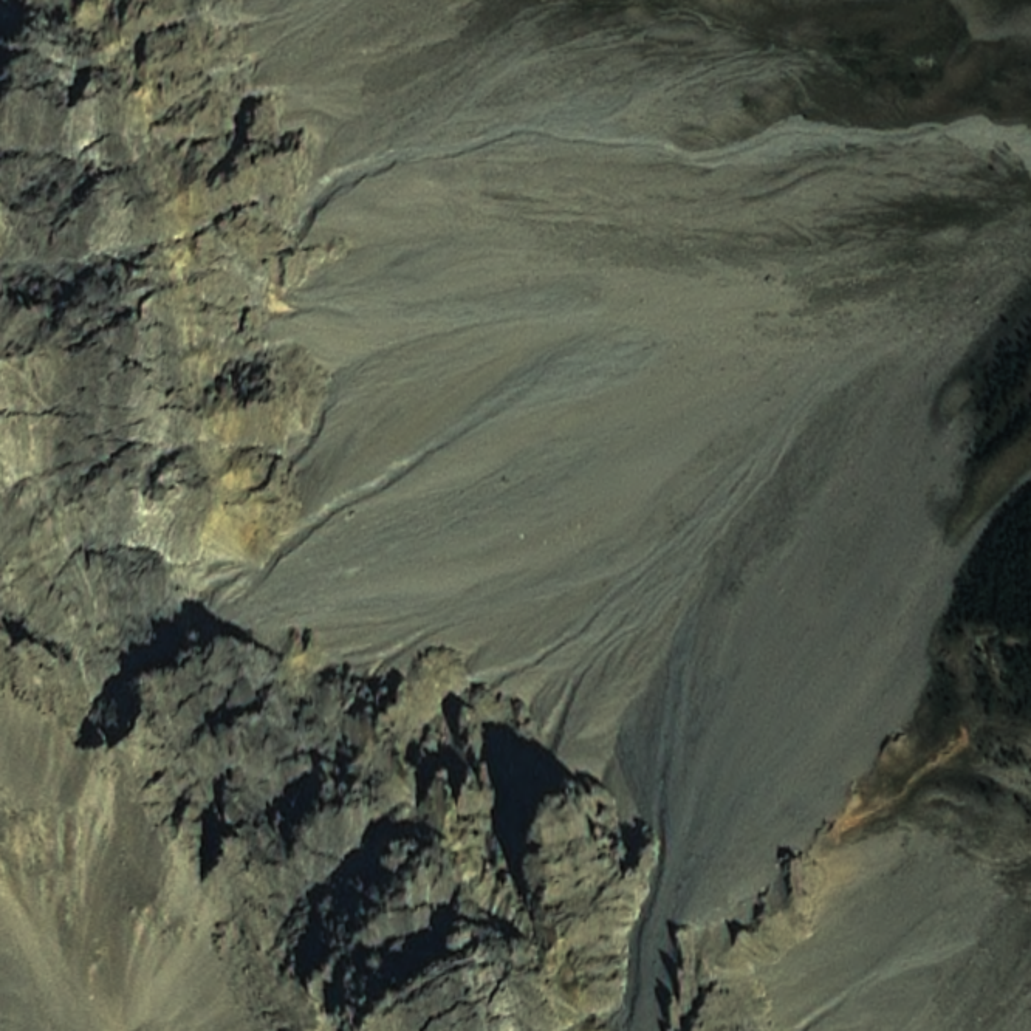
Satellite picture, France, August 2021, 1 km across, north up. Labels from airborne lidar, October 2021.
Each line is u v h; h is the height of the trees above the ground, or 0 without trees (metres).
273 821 0
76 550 0
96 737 0
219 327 0
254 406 0
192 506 0
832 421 0
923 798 0
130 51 0
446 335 0
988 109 0
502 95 0
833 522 0
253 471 0
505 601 0
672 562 0
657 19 0
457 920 0
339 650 0
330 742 0
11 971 0
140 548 0
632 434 0
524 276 0
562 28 0
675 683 0
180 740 0
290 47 0
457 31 0
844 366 0
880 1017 0
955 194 0
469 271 0
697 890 0
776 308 0
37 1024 0
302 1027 0
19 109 0
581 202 0
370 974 0
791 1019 0
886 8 0
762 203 0
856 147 0
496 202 0
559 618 0
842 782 0
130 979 0
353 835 0
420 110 0
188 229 0
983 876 0
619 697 0
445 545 0
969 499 0
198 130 0
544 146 0
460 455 0
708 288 0
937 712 0
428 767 0
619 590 0
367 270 0
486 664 0
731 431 0
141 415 0
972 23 0
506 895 0
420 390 0
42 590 0
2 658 0
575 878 0
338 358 0
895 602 0
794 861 0
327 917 0
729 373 0
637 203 0
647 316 0
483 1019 0
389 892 0
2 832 0
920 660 0
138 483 0
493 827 0
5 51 0
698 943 0
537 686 0
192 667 0
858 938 0
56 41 0
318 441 0
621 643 0
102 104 0
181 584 0
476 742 0
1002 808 0
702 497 0
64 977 0
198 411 0
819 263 0
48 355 0
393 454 0
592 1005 0
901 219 0
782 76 0
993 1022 0
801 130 0
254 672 0
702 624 0
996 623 8
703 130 0
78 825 0
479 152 0
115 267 0
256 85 0
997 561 8
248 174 0
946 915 0
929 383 0
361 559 0
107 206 0
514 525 0
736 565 0
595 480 0
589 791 0
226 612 0
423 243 0
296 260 0
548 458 0
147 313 0
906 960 0
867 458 0
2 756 0
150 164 0
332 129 0
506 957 0
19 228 0
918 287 0
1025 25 0
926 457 0
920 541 0
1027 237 0
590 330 0
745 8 0
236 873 0
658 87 0
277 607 0
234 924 0
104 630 0
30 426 0
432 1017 0
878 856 0
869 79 0
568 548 0
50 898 0
